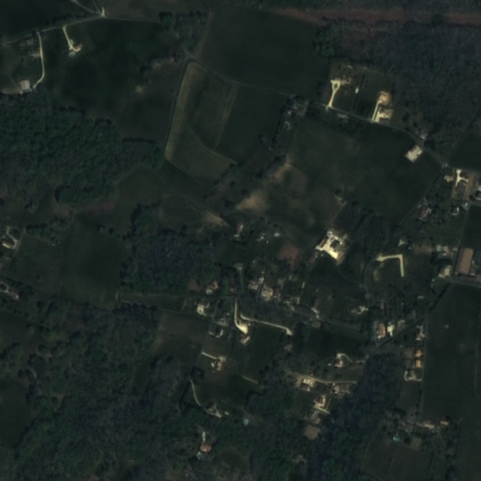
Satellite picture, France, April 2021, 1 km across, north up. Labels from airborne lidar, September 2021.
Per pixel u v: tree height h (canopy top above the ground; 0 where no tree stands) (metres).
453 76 21
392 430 10
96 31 0
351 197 0
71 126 30
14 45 0
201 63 0
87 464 27
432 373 0
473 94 10
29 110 18
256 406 21
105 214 14
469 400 0
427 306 6
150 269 20
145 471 24
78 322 8
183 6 0
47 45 0
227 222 10
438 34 20
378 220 19
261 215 0
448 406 0
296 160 0
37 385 17
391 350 0
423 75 18
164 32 0
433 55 24
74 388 29
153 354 0
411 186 0
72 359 26
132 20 0
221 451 14
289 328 13
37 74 0
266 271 0
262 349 0
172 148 0
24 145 25
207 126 0
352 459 16
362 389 19
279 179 0
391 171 0
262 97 0
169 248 25
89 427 22
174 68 0
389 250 10
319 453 20
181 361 0
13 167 28
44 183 19
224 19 0
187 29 23
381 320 18
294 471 9
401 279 0
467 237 0
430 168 0
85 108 0
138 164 19
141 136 0
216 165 0
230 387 0
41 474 17
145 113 0
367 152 0
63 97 0
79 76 0
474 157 0
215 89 0
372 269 0
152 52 0
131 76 0
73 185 22
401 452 0
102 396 14
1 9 0
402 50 21
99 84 0
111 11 0
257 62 0
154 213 16
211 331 0
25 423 0
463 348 0
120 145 23
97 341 20
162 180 0
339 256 0
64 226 17
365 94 0
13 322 0
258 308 17
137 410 23
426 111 18
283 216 0
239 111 0
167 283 24
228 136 0
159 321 11
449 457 7
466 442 0
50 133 30
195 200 0
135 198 0
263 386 12
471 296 0
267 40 0
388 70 15
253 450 25
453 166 0
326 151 0
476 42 17
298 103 8
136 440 20
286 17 0
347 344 0
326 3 19
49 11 0
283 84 0
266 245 0
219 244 19
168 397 15
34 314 0
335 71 0
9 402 0
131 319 16
